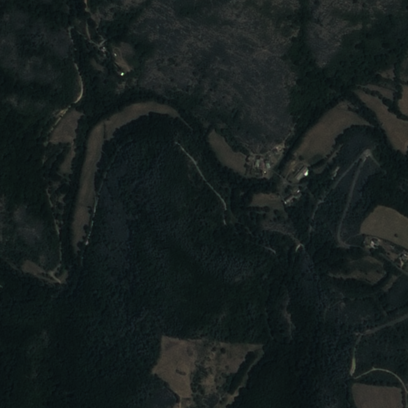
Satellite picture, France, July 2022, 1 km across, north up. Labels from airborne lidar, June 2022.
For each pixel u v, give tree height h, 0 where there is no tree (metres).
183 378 0
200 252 16
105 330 15
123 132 19
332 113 0
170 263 14
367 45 8
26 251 9
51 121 12
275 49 0
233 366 0
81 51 15
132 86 10
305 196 10
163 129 21
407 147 0
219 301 13
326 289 8
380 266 0
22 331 14
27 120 10
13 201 7
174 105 8
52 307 9
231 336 15
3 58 7
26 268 0
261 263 9
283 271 23
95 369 17
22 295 28
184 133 8
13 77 7
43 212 20
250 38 0
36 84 17
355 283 8
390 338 10
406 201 10
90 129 13
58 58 6
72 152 0
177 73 0
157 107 0
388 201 18
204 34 0
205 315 14
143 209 6
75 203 15
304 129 11
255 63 0
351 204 6
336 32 0
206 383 0
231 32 0
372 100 0
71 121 0
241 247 18
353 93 14
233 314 10
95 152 0
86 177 0
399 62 10
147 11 0
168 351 0
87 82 13
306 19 8
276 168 0
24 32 7
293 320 15
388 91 0
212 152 13
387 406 0
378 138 9
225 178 17
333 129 0
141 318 23
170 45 0
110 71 14
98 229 12
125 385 16
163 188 15
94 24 16
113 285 11
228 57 0
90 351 11
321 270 11
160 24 0
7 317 20
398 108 16
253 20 0
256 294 11
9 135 11
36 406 18
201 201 15
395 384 9
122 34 22
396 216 0
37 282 18
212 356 0
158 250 13
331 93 7
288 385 19
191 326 13
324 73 22
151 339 13
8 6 9
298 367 19
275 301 13
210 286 17
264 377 12
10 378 22
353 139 0
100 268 11
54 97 17
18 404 15
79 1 19
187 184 15
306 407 16
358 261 0
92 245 10
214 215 11
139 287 16
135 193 9
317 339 20
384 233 0
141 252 16
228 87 0
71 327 25
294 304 18
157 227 14
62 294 14
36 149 25
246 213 6
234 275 18
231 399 0
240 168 0
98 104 21
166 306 13
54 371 25
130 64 0
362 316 0
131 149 18
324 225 11
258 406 14
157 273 12
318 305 14
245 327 11
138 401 7
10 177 17
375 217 0
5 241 6
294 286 17
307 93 8
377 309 7
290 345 16
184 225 23
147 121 20
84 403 22
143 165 16
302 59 20
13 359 13
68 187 15
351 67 7
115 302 8
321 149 0
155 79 0
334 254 16
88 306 21
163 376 0
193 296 18
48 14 16
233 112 12
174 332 10
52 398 27
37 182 24
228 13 0
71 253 15
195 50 0
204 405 0
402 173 18
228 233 19
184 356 0
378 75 13
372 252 11
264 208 10
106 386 17
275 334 23
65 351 29
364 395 0
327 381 6
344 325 15
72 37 10
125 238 0
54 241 7
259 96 0
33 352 14
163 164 20
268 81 0
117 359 14
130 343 10
